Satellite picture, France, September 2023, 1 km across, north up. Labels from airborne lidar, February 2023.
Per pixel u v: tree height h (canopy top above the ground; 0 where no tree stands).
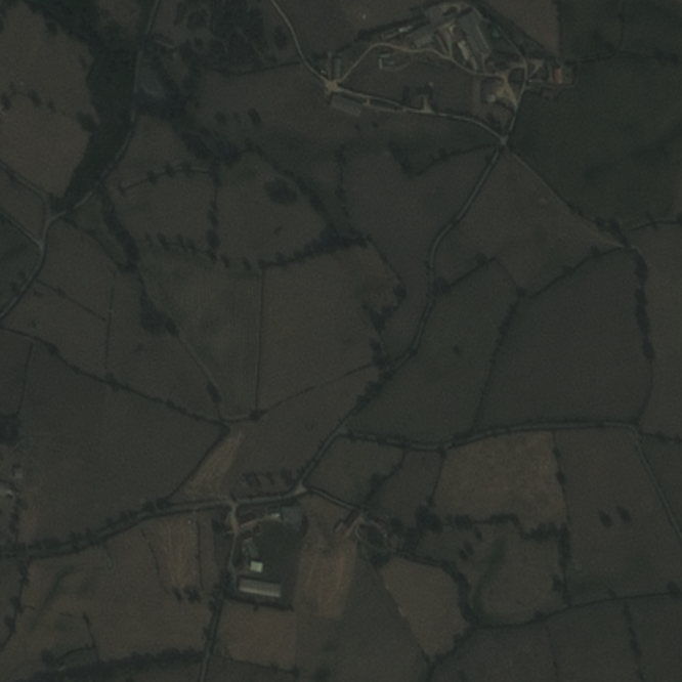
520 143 0
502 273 0
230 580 11
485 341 0
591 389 0
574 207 14
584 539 0
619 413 0
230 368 0
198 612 0
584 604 0
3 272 0
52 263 0
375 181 0
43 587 0
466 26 0
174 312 0
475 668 0
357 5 0
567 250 0
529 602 0
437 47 0
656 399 0
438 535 0
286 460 0
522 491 0
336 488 0
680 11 0
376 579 0
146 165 0
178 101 21
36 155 0
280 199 15
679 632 0
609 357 0
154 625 0
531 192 0
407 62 0
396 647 0
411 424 0
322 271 0
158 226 0
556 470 0
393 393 0
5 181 0
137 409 0
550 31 0
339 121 0
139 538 0
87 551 0
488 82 0
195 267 0
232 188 0
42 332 0
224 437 0
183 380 0
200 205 0
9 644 0
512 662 0
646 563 0
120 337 0
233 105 0
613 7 0
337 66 0
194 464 0
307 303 0
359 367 0
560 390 0
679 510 0
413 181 0
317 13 0
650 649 0
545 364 0
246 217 0
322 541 0
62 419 0
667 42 0
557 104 0
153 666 14
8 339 0
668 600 0
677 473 0
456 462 0
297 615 0
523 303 0
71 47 0
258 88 0
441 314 0
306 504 0
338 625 0
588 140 0
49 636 0
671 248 0
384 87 0
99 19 0
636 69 0
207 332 0
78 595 0
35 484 0
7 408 0
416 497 0
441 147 0
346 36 0
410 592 0
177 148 0
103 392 0
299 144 0
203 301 0
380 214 0
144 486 0
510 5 0
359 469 0
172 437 0
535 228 0
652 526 0
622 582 0
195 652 10
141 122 0
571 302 0
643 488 0
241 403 0
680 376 0
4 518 0
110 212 17
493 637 0
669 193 0
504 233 0
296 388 0
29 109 0
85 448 0
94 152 0
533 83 0
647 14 0
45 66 0
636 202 0
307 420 0
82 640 0
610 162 0
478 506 0
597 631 0
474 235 0
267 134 0
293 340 0
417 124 0
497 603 0
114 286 0
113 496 0
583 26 0
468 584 14
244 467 0
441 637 0
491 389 0
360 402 7
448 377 0
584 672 0
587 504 0
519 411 0
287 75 0
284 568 0
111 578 0
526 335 0
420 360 0
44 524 0
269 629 0
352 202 0
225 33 11
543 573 0
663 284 0
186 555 0
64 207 0
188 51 17
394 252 0
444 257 0
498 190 0
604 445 0
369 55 0
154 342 0
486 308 0
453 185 0
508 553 0
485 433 6
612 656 0
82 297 0
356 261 0
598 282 0
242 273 0
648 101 0
